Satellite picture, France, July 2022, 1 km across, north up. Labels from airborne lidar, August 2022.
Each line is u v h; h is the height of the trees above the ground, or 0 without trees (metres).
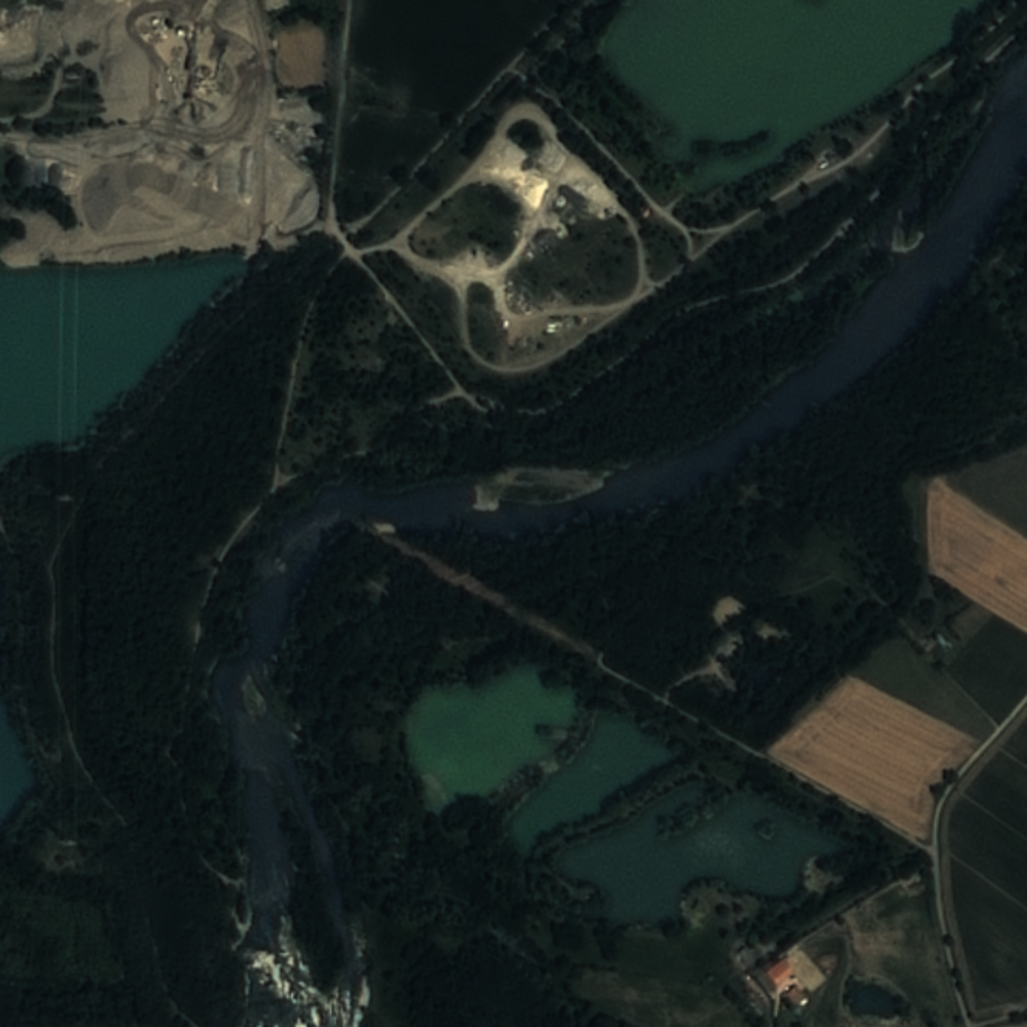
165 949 8
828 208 13
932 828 0
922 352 15
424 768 0
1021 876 0
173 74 0
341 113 0
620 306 0
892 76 0
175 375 9
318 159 14
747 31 0
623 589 16
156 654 14
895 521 9
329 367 7
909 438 15
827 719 0
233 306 8
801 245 11
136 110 0
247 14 0
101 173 0
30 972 9
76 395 0
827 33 0
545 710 0
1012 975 0
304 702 32
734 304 12
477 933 17
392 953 0
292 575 0
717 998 0
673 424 19
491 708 0
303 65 0
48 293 0
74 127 13
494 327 0
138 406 7
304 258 11
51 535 7
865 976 0
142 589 10
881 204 10
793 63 0
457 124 14
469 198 0
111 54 0
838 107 0
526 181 0
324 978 13
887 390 16
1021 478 0
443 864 19
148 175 0
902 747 0
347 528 12
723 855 0
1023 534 0
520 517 0
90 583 13
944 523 0
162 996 11
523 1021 15
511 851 13
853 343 0
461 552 26
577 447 26
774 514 11
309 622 32
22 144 0
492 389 9
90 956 11
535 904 15
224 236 0
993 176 0
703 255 0
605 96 7
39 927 7
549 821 0
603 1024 18
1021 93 0
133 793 19
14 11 0
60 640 7
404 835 11
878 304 0
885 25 0
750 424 0
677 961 0
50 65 8
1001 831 0
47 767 17
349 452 14
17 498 7
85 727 12
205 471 13
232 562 11
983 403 11
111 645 18
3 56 0
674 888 0
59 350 0
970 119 19
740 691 9
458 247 0
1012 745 0
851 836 11
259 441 10
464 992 21
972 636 0
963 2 0
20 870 16
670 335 8
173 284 0
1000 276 12
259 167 0
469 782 0
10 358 0
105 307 0
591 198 0
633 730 0
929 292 0
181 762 12
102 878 9
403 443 10
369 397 11
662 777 18
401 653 10
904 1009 14
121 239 0
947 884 0
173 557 12
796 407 0
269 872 0
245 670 0
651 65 0
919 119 13
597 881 0
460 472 18
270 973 0
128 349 0
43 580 8
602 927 12
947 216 0
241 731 0
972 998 0
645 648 16
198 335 10
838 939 0
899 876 9
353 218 8
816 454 18
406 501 0
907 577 9
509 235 0
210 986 11
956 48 6
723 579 15
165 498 15
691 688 12
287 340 13
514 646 27
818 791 11
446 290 0
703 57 0
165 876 7
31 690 7
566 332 0
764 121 0
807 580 0
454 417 9
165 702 12
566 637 0
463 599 17
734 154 11
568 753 6
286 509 24
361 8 0
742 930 13
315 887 24
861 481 16
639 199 16
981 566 0
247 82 0
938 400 8
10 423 0
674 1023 0
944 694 0
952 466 15
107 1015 13
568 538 25
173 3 0
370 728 13
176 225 0
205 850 13
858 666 8
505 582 31
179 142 0
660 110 0
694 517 12
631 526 30
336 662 32
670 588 16
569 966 16
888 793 0
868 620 16
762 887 0
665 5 0
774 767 7
